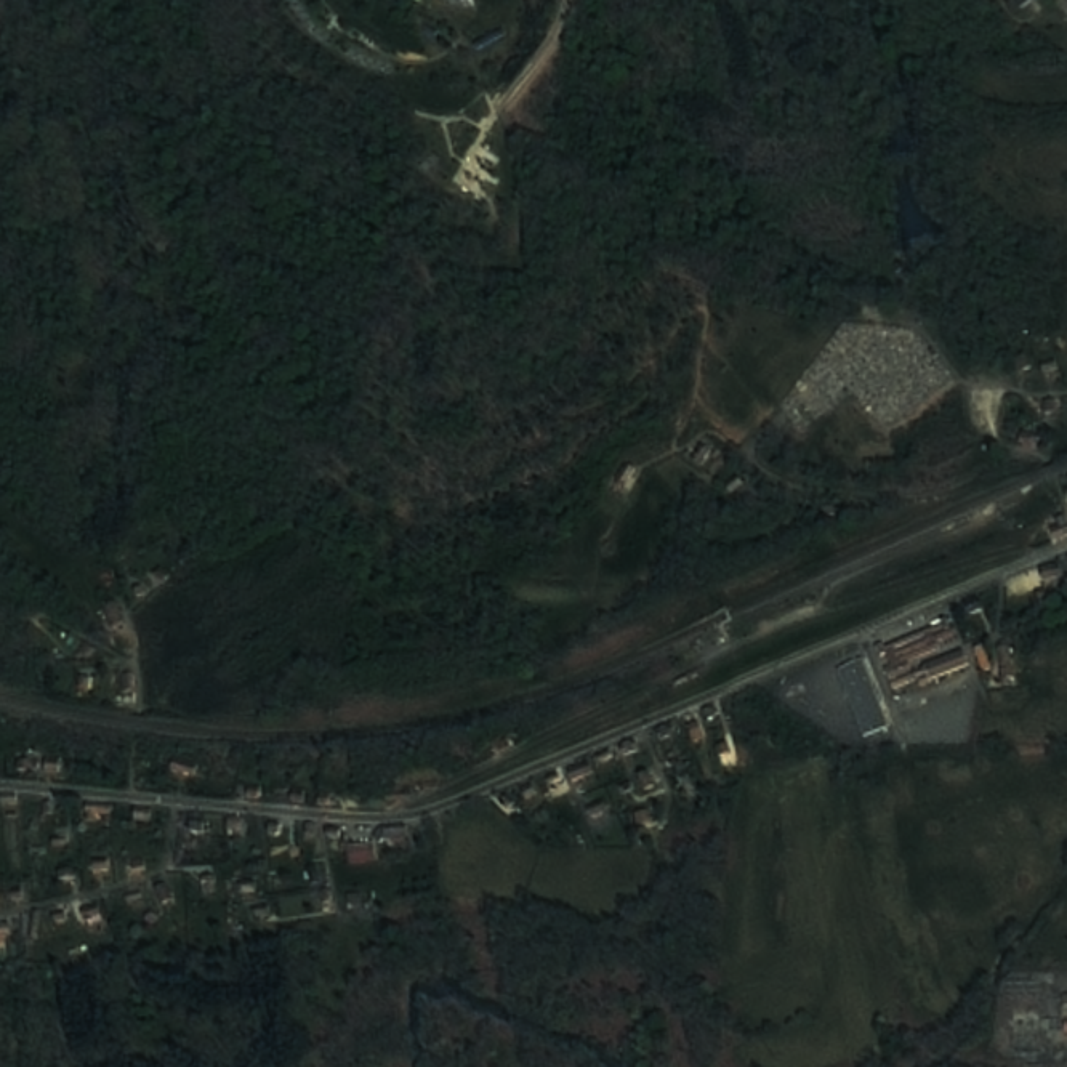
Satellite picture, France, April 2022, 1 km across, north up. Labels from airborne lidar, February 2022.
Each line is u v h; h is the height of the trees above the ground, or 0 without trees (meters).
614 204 22
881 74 26
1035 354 0
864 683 0
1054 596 17
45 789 0
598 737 0
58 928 0
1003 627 7
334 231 19
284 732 0
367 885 0
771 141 19
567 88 18
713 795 12
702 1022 22
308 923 6
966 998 20
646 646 0
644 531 0
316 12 17
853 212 25
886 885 0
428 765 9
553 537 18
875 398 0
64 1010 18
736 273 19
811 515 10
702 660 0
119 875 0
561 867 0
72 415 24
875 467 8
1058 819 0
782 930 0
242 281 26
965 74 26
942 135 26
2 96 20
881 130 14
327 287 27
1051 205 0
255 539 15
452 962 24
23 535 0
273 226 15
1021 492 0
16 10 26
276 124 26
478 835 0
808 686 0
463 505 24
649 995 18
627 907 21
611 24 25
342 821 0
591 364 28
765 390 0
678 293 26
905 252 13
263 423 28
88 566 0
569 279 24
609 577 0
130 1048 20
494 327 19
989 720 0
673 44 30
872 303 24
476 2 0
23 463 28
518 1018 15
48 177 29
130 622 0
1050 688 0
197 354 20
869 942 0
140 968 18
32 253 13
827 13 25
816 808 0
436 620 7
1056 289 0
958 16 27
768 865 0
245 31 20
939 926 0
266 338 28
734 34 24
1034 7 0
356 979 18
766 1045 0
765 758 0
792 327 0
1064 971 0
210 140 27
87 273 26
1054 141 0
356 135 8
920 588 0
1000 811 0
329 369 28
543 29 17
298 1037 30
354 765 12
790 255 22
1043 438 14
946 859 0
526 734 19
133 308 30
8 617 22
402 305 18
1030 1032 0
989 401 0
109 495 26
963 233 29
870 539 0
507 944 20
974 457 0
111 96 18
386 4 16
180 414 23
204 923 0
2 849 0
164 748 8
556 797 0
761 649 0
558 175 26
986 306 19
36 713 0
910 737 0
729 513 26
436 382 23
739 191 26
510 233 18
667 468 0
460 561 23
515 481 26
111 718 0
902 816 0
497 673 21
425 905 11
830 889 0
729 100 21
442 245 20
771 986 0
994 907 0
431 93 0
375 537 24
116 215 22
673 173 20
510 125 0
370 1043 22
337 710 0
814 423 0
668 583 24
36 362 16
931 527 0
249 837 8
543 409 20
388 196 23
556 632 0
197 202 25
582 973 24
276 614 6
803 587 0
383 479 27
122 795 0
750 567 24
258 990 18
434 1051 17
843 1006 0
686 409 16
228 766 6
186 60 19
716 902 20
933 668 0
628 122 27
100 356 24
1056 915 0
